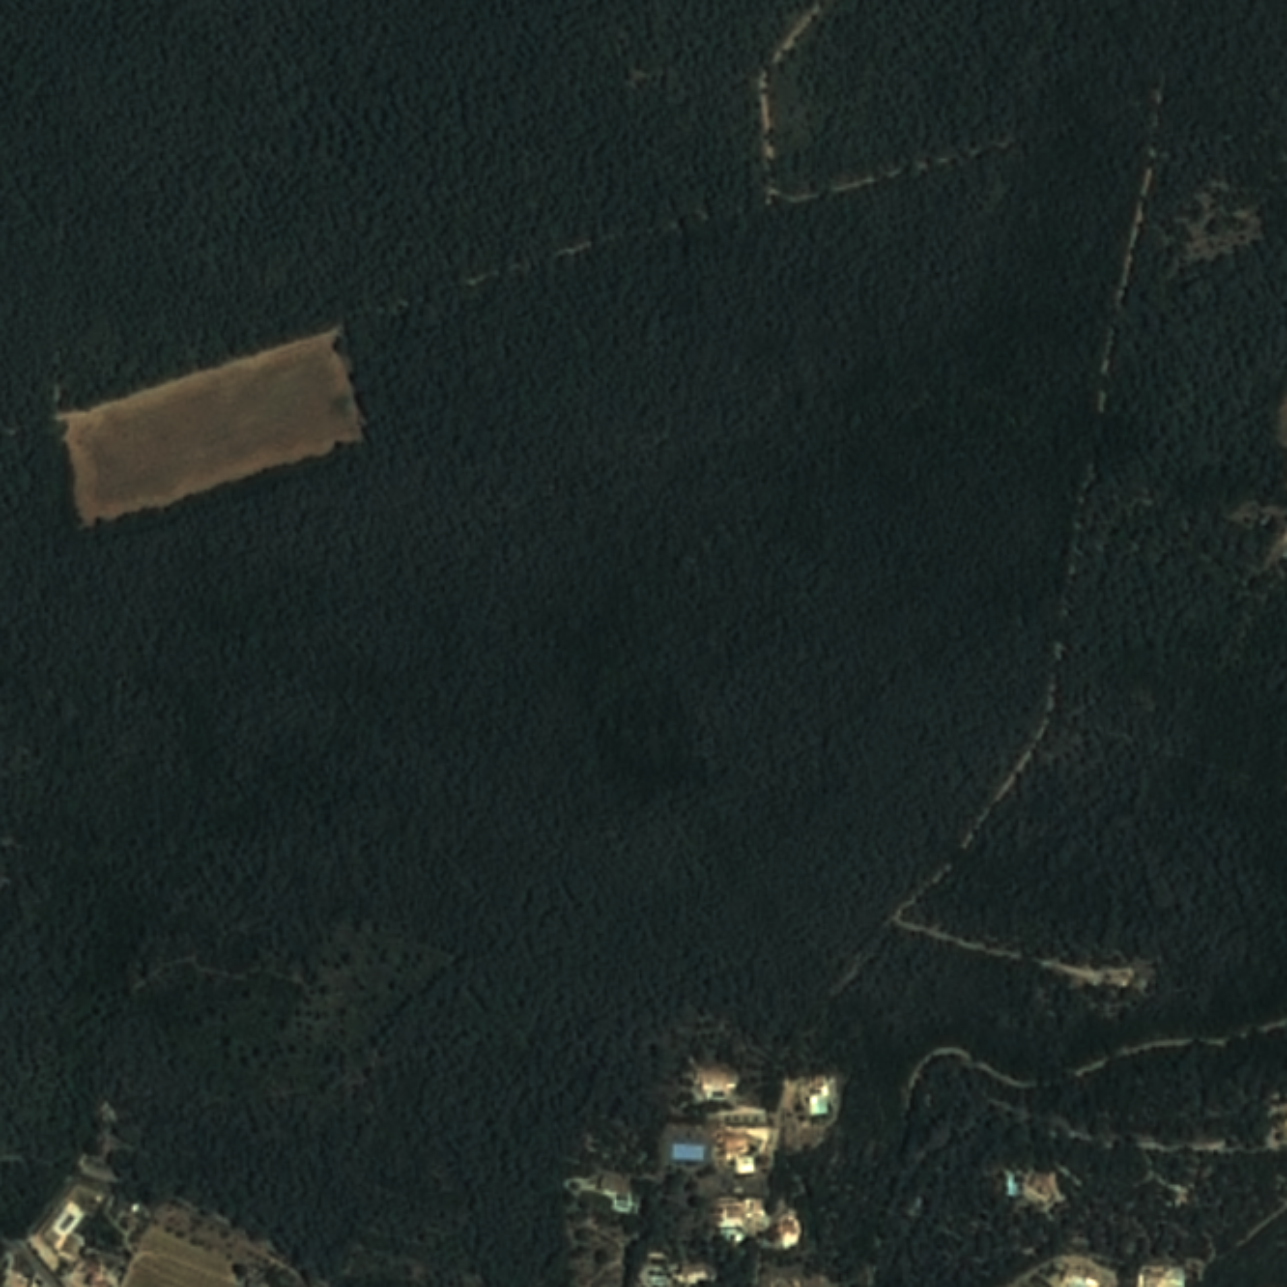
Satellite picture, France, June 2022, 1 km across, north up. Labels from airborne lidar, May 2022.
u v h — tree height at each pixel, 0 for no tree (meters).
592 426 15
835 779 9
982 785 15
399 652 15
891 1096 9
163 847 17
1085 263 8
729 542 16
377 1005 14
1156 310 19
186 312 11
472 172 13
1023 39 7
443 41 14
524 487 14
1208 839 11
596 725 10
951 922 13
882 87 9
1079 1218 6
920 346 12
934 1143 15
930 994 6
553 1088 17
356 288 10
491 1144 17
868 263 14
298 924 13
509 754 14
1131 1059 9
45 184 16
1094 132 10
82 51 14
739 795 15
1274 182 8
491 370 13
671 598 11
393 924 10
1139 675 9
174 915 15
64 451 8
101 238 12
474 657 17
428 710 12
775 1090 6
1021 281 15
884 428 16
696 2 10
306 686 10
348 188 13
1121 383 9
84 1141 15
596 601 12
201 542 15
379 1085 9
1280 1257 6
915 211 9
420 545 11
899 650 13
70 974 17
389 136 13
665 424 16
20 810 14
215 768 14
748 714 14
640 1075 17
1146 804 12
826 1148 6
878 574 15
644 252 9
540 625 10
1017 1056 8
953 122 14
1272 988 10
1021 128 15
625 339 15
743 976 13
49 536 13
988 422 15
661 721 10
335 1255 19
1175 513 16
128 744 13
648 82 7
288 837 20
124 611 16
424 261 13
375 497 14
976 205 12
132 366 12
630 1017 16
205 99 7
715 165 9
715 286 15
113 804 8
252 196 8
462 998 19
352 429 0
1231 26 9
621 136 14
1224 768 8
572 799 10
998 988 7
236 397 0
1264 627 12
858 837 17
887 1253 15
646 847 15
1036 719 17
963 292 17
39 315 11
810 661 11
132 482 0
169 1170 18
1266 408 18
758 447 8
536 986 20
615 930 17
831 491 11
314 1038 13
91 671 10
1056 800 8
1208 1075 16
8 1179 17
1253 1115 14
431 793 15
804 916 15
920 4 14
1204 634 12
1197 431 18
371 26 15
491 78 8
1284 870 11
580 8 12
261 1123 14
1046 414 11
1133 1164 7
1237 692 11
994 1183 7
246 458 0
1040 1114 16
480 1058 15
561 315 14
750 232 7
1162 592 16
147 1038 18
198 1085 17
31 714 9
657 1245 19
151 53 13
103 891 15
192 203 14
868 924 13
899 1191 21
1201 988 16
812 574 13
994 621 12
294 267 9
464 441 18
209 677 9
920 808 16
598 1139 7
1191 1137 12
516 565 15
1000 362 9
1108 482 17
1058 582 11
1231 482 18
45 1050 9
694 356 18
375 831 15
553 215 11
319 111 16
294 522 16
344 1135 8
